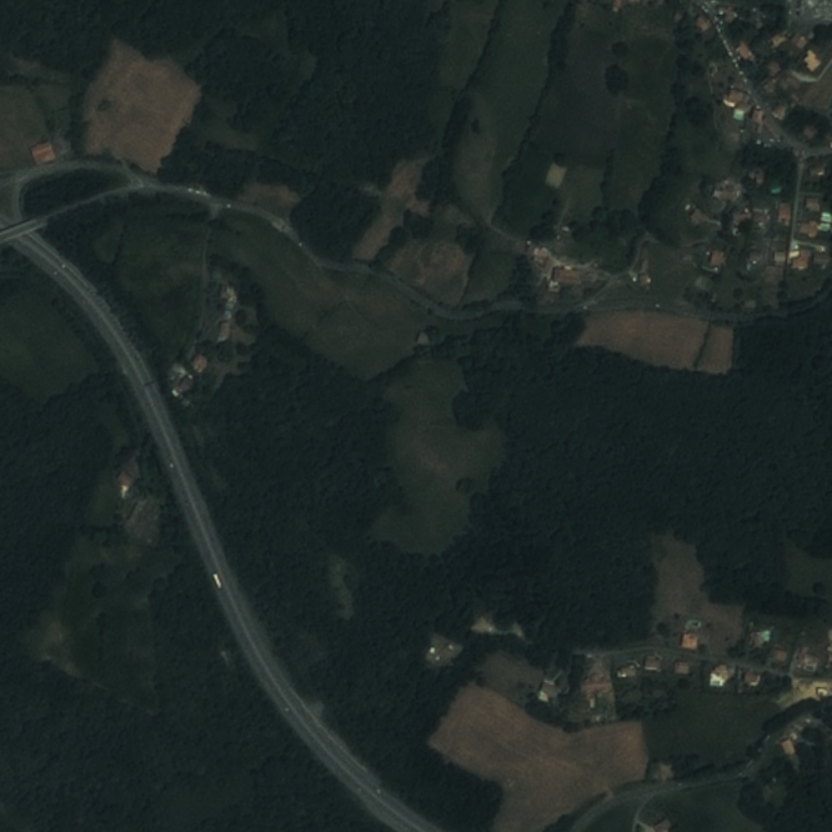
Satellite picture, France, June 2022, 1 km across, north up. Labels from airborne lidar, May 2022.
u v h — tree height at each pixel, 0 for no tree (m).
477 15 0
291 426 13
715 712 0
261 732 12
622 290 0
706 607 0
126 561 0
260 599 11
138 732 9
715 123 0
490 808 12
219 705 13
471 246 13
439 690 16
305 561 8
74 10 10
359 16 21
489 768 0
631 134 0
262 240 0
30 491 12
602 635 14
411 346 0
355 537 10
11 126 0
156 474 20
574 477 16
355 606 6
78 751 17
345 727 7
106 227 13
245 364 8
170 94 0
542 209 0
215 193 14
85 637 0
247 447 9
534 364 26
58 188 18
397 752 15
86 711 6
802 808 21
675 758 10
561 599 13
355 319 0
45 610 19
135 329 19
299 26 14
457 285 0
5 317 0
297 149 22
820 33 18
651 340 0
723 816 0
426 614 6
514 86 0
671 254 0
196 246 0
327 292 0
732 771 15
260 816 8
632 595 21
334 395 21
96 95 0
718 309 6
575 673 8
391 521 0
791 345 21
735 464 24
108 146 0
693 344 0
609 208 10
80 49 24
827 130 11
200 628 17
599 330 0
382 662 13
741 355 12
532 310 16
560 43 15
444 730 0
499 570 25
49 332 0
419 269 0
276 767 17
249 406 13
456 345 24
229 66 14
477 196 0
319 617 8
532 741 0
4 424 20
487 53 7
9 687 16
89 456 13
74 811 19
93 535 21
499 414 24
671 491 28
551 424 21
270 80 18
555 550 22
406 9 27
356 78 24
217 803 0
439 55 13
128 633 0
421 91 20
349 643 20
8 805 7
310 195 20
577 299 7
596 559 19
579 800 0
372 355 0
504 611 14
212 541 0
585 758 0
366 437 23
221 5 22
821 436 22
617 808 0
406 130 24
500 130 0
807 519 20
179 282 0
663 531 15
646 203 16
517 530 24
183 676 7
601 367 23
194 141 13
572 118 0
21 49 21
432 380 0
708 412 22
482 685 13
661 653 0
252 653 0
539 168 0
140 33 8
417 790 13
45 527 12
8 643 12
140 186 0
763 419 16
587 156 0
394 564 15
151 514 0
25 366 0
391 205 0
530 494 23
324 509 11
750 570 20
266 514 13
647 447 29
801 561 0
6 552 13
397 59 24
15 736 16
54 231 15
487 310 17
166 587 11
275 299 0
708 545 21
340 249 16
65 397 12
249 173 23
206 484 14
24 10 10
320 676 14
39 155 0
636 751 0
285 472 13
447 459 0
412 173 0
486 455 0
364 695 9
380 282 0
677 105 6
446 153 16
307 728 0
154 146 0
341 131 25
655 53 0
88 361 0
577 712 0
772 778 8
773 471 21
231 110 0
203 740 15
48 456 16
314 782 11
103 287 19
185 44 13
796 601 18
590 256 0
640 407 21
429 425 0
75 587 0
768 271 0
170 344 0
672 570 0
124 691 0
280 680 0
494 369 15
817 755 19
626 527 20
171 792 8
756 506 19
